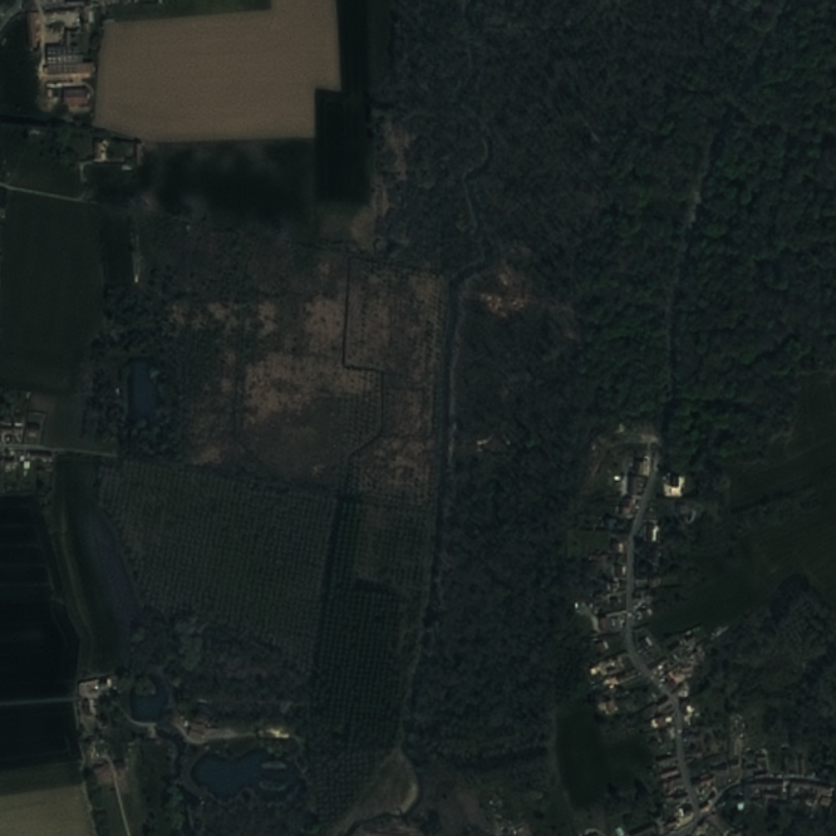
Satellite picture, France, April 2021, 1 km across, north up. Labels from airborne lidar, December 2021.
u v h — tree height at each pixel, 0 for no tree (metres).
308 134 0
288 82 0
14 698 0
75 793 0
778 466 0
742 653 14
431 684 25
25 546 0
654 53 7
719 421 28
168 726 15
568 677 6
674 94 26
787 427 20
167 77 0
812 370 10
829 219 19
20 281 0
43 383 0
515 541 26
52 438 0
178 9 0
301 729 15
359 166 0
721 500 28
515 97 24
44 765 0
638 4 13
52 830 0
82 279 0
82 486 0
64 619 0
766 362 25
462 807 0
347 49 0
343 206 0
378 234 5
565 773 0
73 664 0
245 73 0
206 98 0
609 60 13
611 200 30
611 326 27
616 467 0
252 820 21
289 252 8
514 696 22
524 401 10
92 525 0
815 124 17
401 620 21
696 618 0
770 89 29
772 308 29
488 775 39
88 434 6
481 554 20
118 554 0
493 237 19
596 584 6
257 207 0
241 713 9
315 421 0
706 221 26
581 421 28
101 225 0
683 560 20
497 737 26
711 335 27
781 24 18
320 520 23
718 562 0
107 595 0
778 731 19
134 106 0
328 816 29
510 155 7
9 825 0
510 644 24
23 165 0
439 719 18
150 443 12
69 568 0
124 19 0
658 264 24
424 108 27
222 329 10
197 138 0
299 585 21
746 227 29
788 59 26
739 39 22
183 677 12
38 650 0
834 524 0
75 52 0
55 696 0
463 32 28
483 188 11
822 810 0
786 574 0
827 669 37
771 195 29
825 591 0
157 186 0
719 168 22
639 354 32
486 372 24
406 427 0
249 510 20
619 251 29
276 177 0
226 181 0
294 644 23
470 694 11
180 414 20
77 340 0
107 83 0
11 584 0
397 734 18
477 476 22
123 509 23
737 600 0
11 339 0
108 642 0
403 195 6
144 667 9
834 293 33
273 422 0
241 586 24
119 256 0
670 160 32
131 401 0
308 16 0
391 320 0
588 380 25
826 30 25
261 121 0
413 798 0
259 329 11
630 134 22
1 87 0
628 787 0
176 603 24
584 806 0
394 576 13
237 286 10
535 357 14
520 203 29
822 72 24
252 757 0
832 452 0
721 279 28
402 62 32
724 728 5
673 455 24
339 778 30
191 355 9
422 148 15
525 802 26
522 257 30
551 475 23
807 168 30
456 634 18
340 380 0
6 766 0
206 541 24
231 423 6
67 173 0
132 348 15
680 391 21
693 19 21
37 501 0
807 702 15
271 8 0
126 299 13
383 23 0
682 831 0
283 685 20
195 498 23
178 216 7
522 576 11
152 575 23
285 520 20
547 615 20
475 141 22
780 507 19
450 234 11
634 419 21
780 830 14
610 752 0
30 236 0
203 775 0
